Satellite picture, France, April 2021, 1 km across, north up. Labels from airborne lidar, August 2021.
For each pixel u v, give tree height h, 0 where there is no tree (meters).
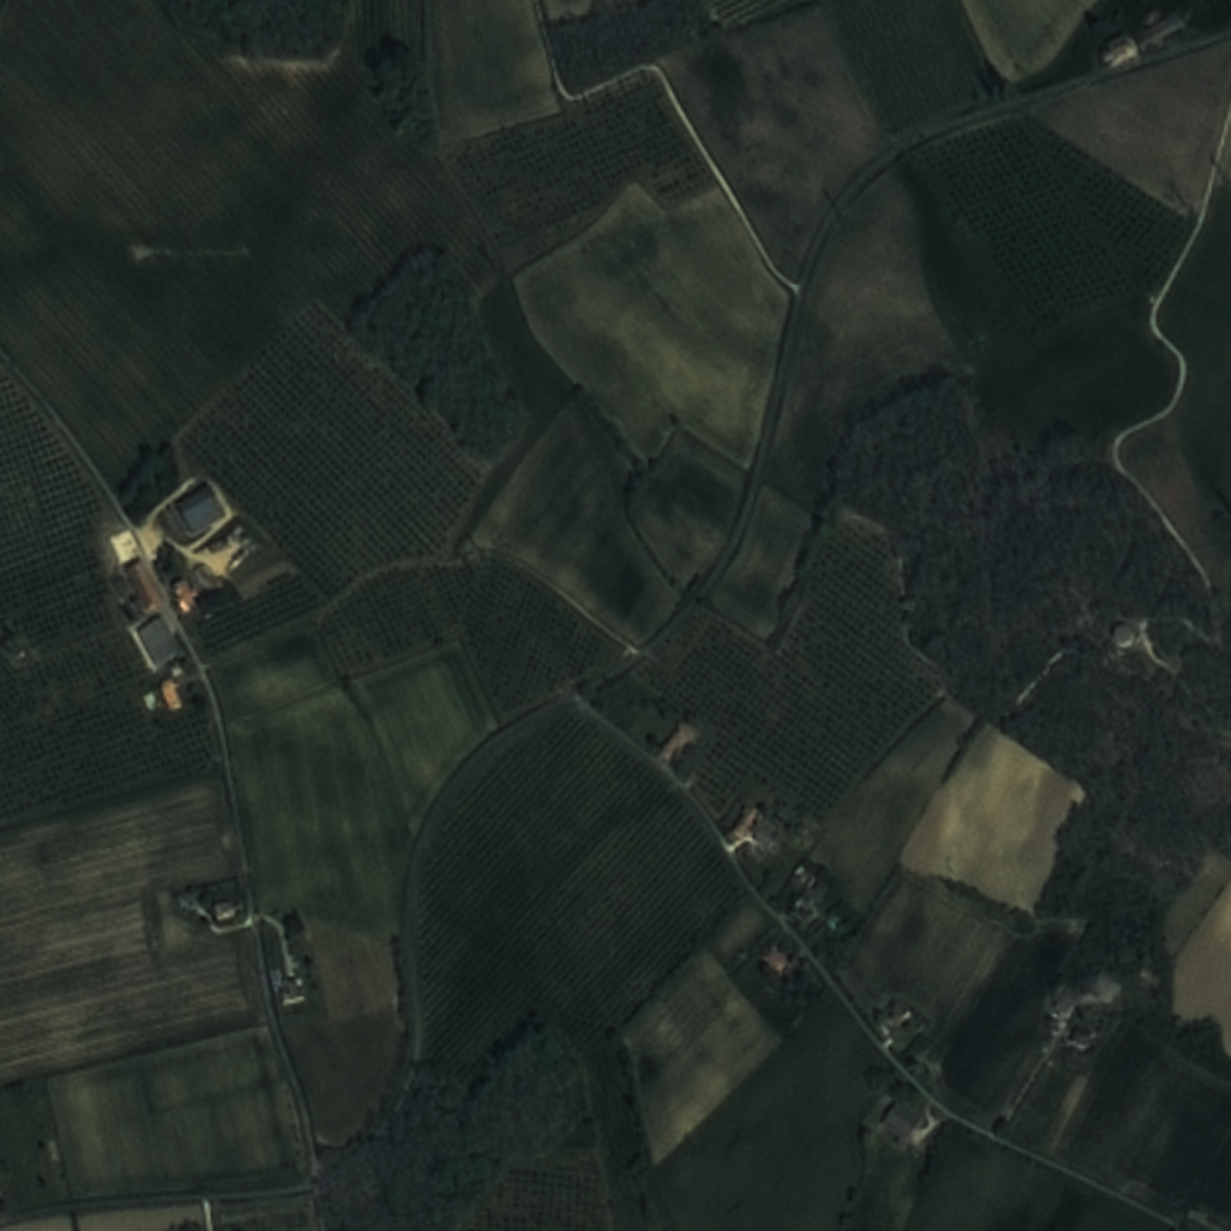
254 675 0
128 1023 0
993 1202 0
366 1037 0
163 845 0
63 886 0
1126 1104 0
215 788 0
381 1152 18
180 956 0
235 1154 0
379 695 0
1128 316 0
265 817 0
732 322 0
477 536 0
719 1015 0
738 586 0
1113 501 7
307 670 0
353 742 0
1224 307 0
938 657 18
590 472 0
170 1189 0
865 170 0
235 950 0
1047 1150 0
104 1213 0
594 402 11
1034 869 0
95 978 0
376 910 0
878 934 0
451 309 17
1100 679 12
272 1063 0
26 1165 0
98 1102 0
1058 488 6
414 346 19
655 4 14
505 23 0
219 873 0
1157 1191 0
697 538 0
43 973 0
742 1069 0
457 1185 23
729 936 0
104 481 0
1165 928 7
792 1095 0
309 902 0
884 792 0
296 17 18
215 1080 0
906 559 16
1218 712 7
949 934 0
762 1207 0
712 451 0
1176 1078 0
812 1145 0
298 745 0
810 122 0
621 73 17
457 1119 14
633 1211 0
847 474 18
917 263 0
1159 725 10
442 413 17
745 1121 0
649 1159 6
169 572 7
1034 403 0
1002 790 0
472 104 0
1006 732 12
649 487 8
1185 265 0
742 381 0
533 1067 24
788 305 0
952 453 17
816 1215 0
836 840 0
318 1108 0
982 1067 0
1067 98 0
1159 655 6
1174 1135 0
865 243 0
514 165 6
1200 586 14
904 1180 0
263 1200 0
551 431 0
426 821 0
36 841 0
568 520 0
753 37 0
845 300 0
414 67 30
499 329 0
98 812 0
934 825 0
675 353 0
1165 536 7
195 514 0
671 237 0
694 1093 0
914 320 0
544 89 0
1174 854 16
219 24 6
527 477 0
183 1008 0
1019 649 6
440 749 0
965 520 13
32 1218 0
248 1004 0
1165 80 0
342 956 0
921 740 0
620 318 0
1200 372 0
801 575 9
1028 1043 0
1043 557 12
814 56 0
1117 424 0
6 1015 0
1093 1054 6
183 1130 0
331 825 0
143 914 0
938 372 0
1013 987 0
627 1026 6
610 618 0
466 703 0
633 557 0
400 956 8
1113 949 7
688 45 11
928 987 0
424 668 0
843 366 0
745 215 0
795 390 0
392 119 8
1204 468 0
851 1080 0
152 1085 0
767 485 0
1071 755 19
